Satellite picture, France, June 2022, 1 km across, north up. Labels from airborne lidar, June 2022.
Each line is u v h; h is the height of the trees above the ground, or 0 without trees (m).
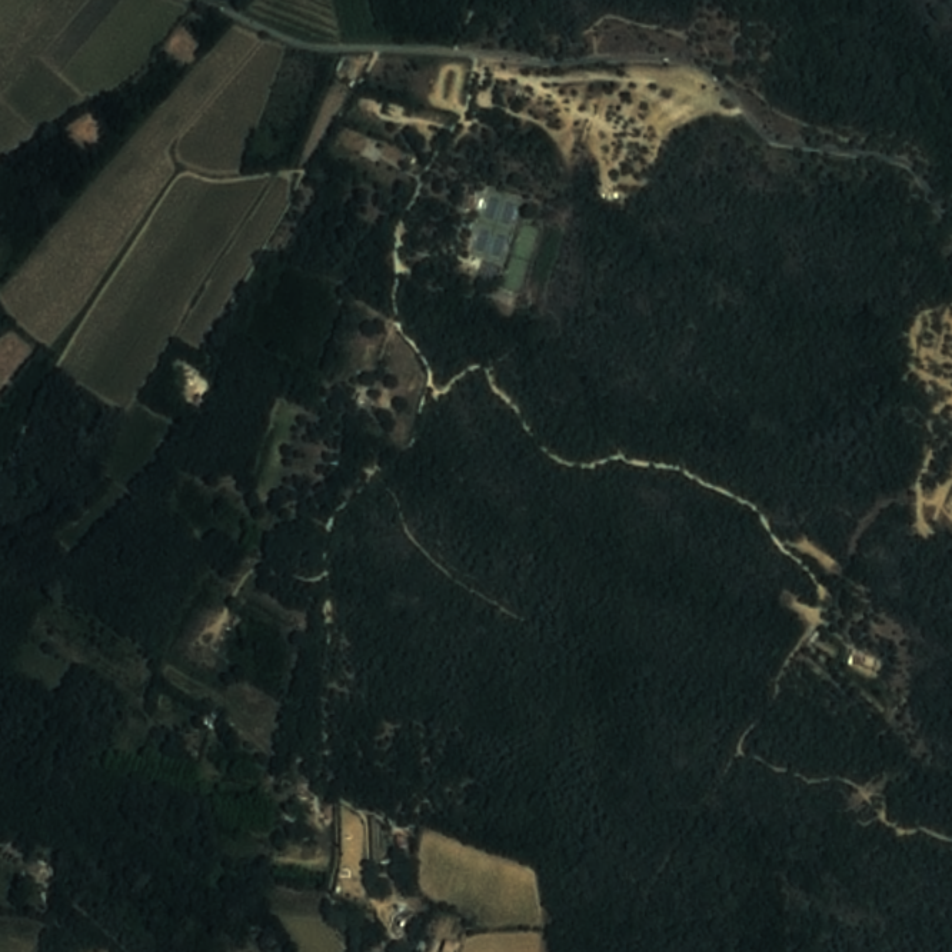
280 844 10
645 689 10
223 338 22
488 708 8
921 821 7
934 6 9
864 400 14
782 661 9
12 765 24
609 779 11
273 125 8
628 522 7
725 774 6
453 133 9
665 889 7
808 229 6
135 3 0
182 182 0
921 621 10
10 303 0
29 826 16
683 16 7
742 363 9
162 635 19
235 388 17
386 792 12
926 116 9
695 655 6
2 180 14
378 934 6
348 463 11
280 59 0
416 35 6
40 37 0
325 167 15
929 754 8
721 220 8
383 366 7
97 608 18
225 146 0
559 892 7
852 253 6
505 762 16
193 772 18
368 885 12
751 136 0
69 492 23
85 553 23
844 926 14
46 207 23
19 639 19
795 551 8
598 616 9
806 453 8
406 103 16
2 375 0
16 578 19
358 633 7
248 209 0
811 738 9
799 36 11
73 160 18
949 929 11
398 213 14
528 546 5
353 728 10
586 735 12
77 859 24
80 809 14
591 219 7
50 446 24
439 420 8
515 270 0
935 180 11
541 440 8
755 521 10
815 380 12
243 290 20
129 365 0
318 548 17
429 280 6
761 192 7
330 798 15
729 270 7
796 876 12
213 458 15
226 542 18
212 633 0
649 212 7
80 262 0
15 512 21
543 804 12
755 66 10
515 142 8
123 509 18
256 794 15
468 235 9
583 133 0
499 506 7
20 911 8
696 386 6
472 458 7
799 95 6
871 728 11
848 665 11
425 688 6
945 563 9
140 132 0
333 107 0
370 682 7
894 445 8
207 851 24
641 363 7
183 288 0
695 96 0
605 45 0
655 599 6
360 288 11
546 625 17
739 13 10
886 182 10
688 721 7
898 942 8
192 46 0
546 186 7
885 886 8
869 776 7
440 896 0
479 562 8
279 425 0
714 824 9
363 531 10
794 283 7
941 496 0
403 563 6
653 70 0
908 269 9
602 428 7
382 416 11
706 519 8
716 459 8
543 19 8
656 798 10
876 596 9
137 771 16
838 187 9
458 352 10
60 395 21
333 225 20
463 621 9
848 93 6
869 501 6
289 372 13
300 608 10
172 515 18
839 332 8
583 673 12
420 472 10
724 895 9
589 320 7
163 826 15
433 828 9
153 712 12
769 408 6
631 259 7
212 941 6
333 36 5
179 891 14
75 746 19
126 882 17
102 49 0
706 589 13
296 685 14
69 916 10
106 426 28
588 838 15
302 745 15
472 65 0
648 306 6
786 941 13
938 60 12
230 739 17
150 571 22
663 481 7
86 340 0
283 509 11
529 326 11
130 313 0
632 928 14
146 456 0
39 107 0
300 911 0
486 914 0
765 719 9
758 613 6
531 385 9
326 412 12
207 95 0
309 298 6
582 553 7
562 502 8
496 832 14
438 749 11
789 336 6
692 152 5
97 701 16
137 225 0
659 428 7
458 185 9
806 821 10
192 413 8
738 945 13
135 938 11
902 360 6
